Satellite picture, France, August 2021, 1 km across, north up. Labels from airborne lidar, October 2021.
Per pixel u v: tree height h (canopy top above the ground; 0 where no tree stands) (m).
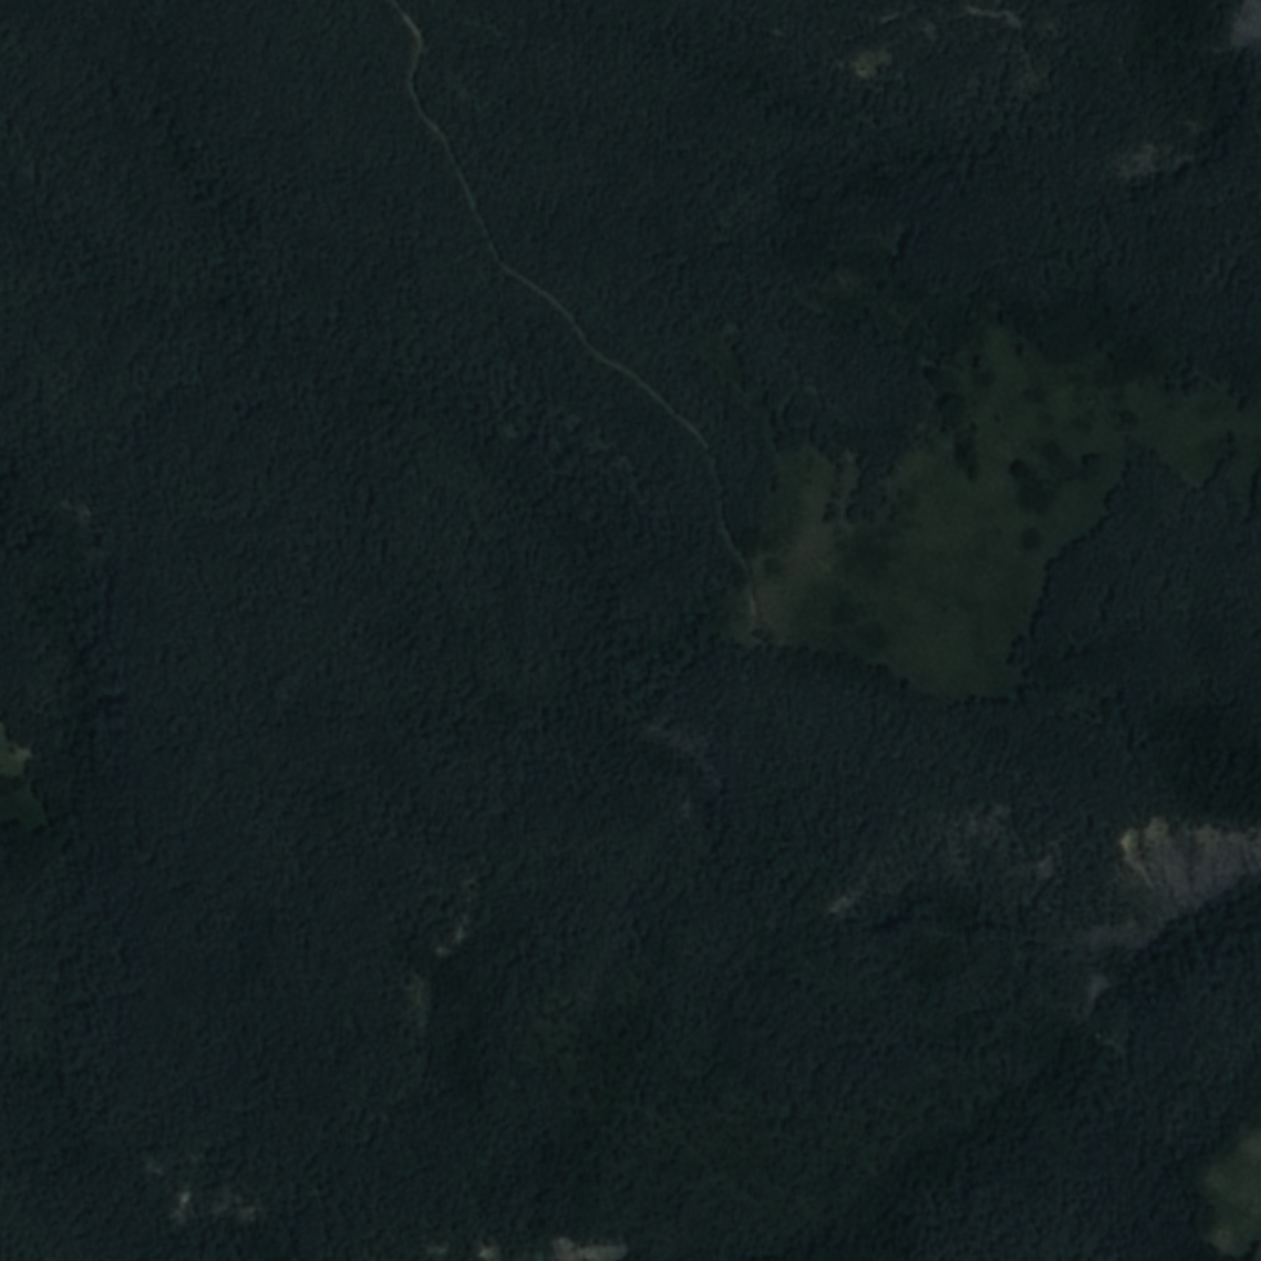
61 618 16
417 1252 9
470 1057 14
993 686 0
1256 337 17
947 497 0
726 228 8
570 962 11
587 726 9
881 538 0
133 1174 12
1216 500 10
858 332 12
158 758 13
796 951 6
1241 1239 0
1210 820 12
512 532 10
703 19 8
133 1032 12
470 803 10
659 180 10
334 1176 12
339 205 8
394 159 8
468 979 15
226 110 11
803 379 7
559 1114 10
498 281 7
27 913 9
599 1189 10
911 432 10
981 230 14
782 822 12
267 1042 12
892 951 11
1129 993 6
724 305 9
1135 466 10
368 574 7
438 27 9
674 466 5
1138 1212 13
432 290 8
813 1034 12
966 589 0
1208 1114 9
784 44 8
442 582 8
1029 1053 8
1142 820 12
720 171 8
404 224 8
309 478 11
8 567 17
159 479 7
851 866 9
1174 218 10
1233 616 13
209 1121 12
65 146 7
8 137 6
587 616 12
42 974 11
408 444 8
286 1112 12
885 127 9
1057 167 12
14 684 10
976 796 8
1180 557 11
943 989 11
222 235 15
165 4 6
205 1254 13
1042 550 0
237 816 7
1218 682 16
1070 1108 14
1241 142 14
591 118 10
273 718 10
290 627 10
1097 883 14
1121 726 6
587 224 8
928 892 9
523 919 10
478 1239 11
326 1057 12
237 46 11
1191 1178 11
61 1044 14
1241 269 13
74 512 7
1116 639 15
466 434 13
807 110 12
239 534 10
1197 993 7
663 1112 8
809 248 17
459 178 6
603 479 11
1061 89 12
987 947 10
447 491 8
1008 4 9
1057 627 14
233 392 14
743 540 10
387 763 12
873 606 0
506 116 8
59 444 9
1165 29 19
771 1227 6
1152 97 14
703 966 7
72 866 13
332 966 13
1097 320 16
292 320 8
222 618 7
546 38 10
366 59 6
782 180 9
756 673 8
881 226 15
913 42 8
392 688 9
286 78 6
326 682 9
